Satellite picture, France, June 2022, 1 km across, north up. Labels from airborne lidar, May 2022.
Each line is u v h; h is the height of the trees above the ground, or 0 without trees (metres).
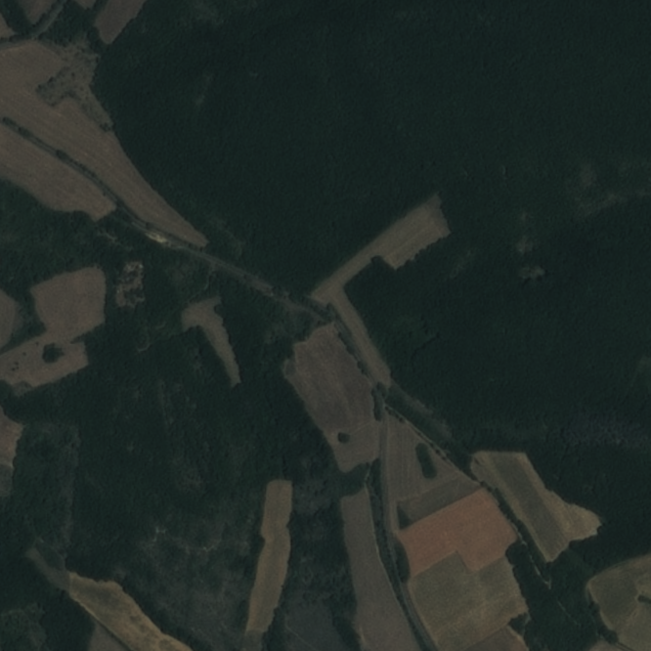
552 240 15
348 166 10
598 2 13
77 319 0
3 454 0
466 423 10
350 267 0
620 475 12
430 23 12
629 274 13
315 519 11
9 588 13
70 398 10
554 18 11
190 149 10
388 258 0
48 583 15
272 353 11
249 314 12
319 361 0
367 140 11
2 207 11
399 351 10
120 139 11
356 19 13
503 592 0
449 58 13
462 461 8
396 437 0
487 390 10
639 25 13
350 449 0
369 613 0
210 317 0
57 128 0
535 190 9
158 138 9
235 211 11
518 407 12
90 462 6
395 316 12
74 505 7
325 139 8
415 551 0
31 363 0
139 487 6
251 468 11
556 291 20
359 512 0
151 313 11
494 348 11
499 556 0
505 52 12
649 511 12
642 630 0
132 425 8
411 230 0
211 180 15
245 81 9
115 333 10
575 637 10
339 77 12
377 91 10
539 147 10
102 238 7
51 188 0
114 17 0
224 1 9
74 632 12
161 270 11
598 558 6
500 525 0
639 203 10
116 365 7
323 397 0
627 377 10
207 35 10
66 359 0
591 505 10
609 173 9
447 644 0
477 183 9
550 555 0
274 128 9
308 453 11
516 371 13
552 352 12
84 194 0
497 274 18
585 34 12
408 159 13
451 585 0
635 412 11
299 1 21
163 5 12
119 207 8
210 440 9
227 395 17
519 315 16
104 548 7
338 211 12
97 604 0
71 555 10
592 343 11
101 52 13
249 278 7
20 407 13
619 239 22
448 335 18
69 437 10
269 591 0
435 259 12
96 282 0
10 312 0
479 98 12
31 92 0
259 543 10
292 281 13
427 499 0
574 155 8
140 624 0
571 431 19
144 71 16
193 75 11
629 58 11
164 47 11
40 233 9
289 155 10
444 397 16
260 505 11
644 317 11
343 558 14
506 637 0
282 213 9
